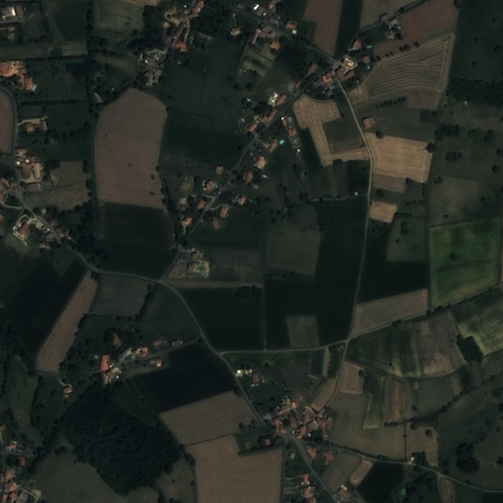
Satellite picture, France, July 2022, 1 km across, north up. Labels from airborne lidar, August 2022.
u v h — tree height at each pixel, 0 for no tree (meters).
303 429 0
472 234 0
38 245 0
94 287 0
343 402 0
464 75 0
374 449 0
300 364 0
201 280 0
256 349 0
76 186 0
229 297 0
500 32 0
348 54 10
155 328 0
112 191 0
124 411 8
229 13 0
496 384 0
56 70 6
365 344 0
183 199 0
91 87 9
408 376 0
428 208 0
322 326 0
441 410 9
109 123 0
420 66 0
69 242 14
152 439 24
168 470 17
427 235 0
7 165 0
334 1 0
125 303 0
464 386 0
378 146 0
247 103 7
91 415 13
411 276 0
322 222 6
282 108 0
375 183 0
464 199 0
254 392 0
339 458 0
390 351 0
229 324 0
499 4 0
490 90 6
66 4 0
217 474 0
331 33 0
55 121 0
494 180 0
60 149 0
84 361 7
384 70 0
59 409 0
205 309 0
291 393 6
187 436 0
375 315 0
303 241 0
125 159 0
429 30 0
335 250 0
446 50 0
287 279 6
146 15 8
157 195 0
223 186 0
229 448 0
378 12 0
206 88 0
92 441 6
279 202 0
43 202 0
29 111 0
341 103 0
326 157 0
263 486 0
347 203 0
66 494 0
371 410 0
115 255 0
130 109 0
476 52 0
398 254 0
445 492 0
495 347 0
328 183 0
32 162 0
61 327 0
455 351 0
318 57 8
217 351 0
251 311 0
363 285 0
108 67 15
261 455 0
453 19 0
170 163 0
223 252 0
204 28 8
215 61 0
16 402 0
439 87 0
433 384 0
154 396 0
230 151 0
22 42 13
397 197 0
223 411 0
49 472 0
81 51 0
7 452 0
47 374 0
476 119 0
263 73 0
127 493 9
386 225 8
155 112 0
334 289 0
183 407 0
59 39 0
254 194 0
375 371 0
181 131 0
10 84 7
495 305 0
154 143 0
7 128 0
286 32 0
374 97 0
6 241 0
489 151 0
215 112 0
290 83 0
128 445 20
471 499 0
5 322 11
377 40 0
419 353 0
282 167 0
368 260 0
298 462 0
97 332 0
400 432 0
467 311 0
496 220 0
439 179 7
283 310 0
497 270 0
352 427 0
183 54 7
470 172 0
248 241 0
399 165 0
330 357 0
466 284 0
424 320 0
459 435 0
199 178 10
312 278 0
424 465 9
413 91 0
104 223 0
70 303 0
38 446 0
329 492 0
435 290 0
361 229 0
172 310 0
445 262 0
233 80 7
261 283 0
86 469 0
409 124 0
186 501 0
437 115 9
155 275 0
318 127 0
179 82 0
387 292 0
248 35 11
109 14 0
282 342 0
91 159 0
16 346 14
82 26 0
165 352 0
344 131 0
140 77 7
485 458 0
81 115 0
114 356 5
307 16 0
